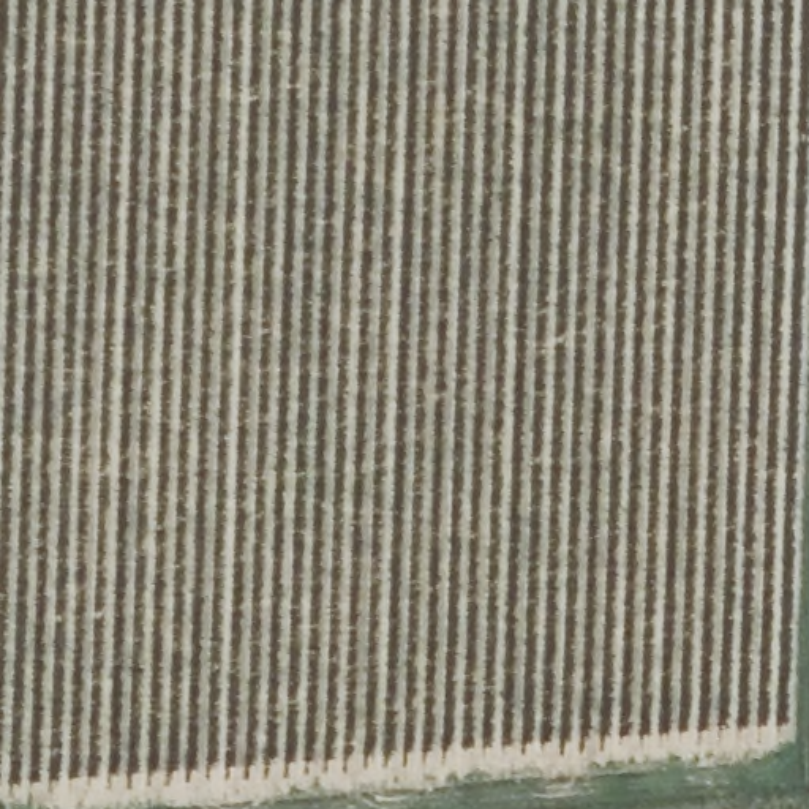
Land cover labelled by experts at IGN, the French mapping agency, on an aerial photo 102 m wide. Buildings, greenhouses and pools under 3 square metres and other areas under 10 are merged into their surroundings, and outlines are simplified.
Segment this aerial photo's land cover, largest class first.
<instances>
[{"label":"vineyard","instance_id":"1","mask_svg":"<svg viewBox=\"0 0 809 809\"><path fill-rule=\"evenodd\" d=\"M493 705H502V746L550 739L569 743L572 736L578 739V749H585L588 736H648L711 727L787 724V705H796V736L777 746L774 752L743 758L739 765L755 781L746 793L749 803L777 796H809V0H0V758H9V784L41 781V721L51 717V781L136 771H196L209 765L243 768V774L250 777L253 762L284 758L303 762V781L310 784L307 796H322V781L329 774V762L335 758V721H344V758H351L354 727L367 733L363 755L493 746Z\"/></svg>","mask_w":809,"mask_h":809},{"label":"herbaceous vegetation","instance_id":"2","mask_svg":"<svg viewBox=\"0 0 809 809\"><path fill-rule=\"evenodd\" d=\"M796 736V705H787V724L711 727L648 736H588L585 749H578V739L572 736L569 743L550 739L502 746V705H493V746L363 755L367 733L354 727L351 758H344V721H335V758L329 762V774L322 781V796H307L310 784L303 781V762L284 758L253 762L250 777L243 774V768L209 765L196 771H136L51 781V717L41 721V781L9 784V758H0V809H809V796H777L749 803L746 793L755 781L739 765L743 758L774 752L777 746Z\"/></svg>","mask_w":809,"mask_h":809}]
</instances>
